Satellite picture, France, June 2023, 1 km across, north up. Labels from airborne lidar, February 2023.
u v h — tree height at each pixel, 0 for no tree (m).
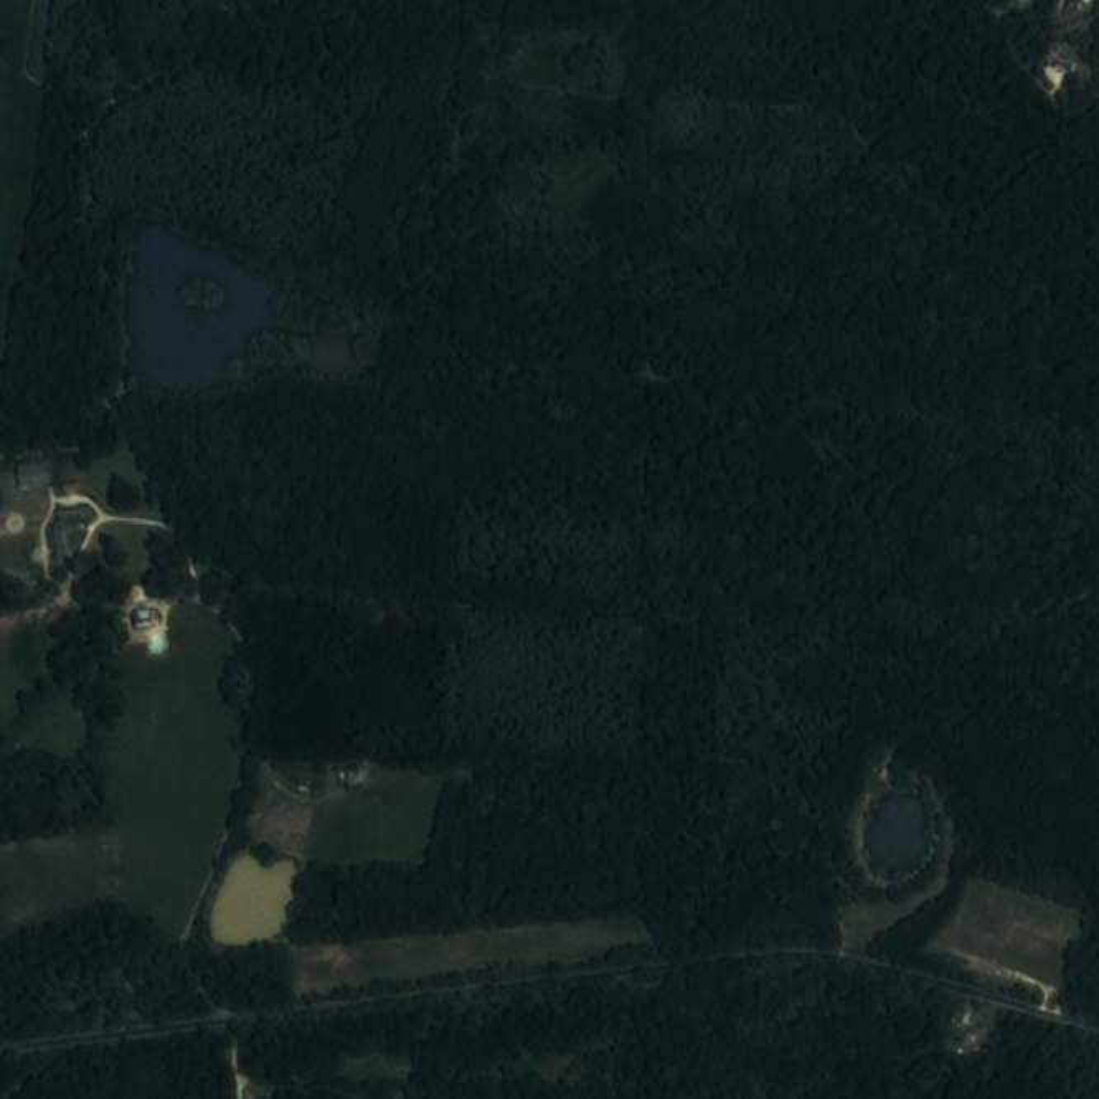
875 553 18
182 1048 17
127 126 27
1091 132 24
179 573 24
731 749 28
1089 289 21
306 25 13
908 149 6
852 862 17
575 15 26
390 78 21
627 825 22
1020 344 20
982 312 26
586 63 22
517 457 23
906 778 17
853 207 20
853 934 0
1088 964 20
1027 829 12
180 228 12
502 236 20
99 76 20
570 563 22
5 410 15
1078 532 19
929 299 25
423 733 7
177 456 15
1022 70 11
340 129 19
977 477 26
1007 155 5
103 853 0
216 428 11
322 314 15
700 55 20
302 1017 13
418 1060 8
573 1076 14
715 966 12
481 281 22
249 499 14
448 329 17
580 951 0
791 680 24
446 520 16
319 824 0
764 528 21
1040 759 12
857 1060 19
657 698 12
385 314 18
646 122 23
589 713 23
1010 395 24
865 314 22
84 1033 12
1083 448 22
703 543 8
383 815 0
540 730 23
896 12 24
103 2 17
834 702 8
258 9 11
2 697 0
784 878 22
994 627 20
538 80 0
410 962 0
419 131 18
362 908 21
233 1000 7
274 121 27
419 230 14
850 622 19
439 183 17
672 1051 20
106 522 0
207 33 15
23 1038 16
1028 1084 19
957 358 21
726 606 17
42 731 0
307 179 28
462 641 26
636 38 23
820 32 20
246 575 16
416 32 14
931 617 19
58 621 0
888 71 8
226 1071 6
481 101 22
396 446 25
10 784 21
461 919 14
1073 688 17
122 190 29
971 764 15
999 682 13
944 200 6
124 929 27
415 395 27
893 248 19
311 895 18
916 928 22
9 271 0
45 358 14
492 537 22
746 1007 24
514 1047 10
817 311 20
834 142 25
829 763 17
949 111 11
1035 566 20
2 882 0
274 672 13
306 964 0
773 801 8
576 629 14
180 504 15
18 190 0
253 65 20
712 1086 20
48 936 16
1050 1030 16
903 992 21
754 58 16
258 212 26
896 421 18
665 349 24
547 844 22
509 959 0
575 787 17
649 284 19
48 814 25
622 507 8
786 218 24
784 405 13
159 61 20
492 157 19
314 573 12
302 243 22
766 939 14
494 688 27
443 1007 14
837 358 22
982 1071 17
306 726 9
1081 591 21
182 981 15
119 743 0
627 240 6
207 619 0
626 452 26
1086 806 13
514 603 17
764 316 24
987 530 21
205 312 0
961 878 17
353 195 18
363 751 24
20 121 0
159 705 0
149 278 0
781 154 22
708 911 18
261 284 0
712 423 20
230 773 0
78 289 11
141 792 0
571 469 25
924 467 16
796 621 20
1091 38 13
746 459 24
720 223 21
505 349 21
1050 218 27
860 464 13
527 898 23
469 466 25
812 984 22
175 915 0
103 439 17
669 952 18
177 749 0
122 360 18
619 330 26
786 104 20
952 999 8
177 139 28
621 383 22
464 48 11
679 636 20
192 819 0
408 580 15
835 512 17
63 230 24
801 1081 20
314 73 17
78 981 24
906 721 14
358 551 13
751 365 23
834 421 7
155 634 0
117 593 25
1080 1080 20
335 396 19
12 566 0
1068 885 19
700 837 23
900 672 18
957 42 24
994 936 0
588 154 19
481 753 7
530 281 22
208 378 0
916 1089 20
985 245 26
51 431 13
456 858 14
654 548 22
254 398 13
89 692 26
